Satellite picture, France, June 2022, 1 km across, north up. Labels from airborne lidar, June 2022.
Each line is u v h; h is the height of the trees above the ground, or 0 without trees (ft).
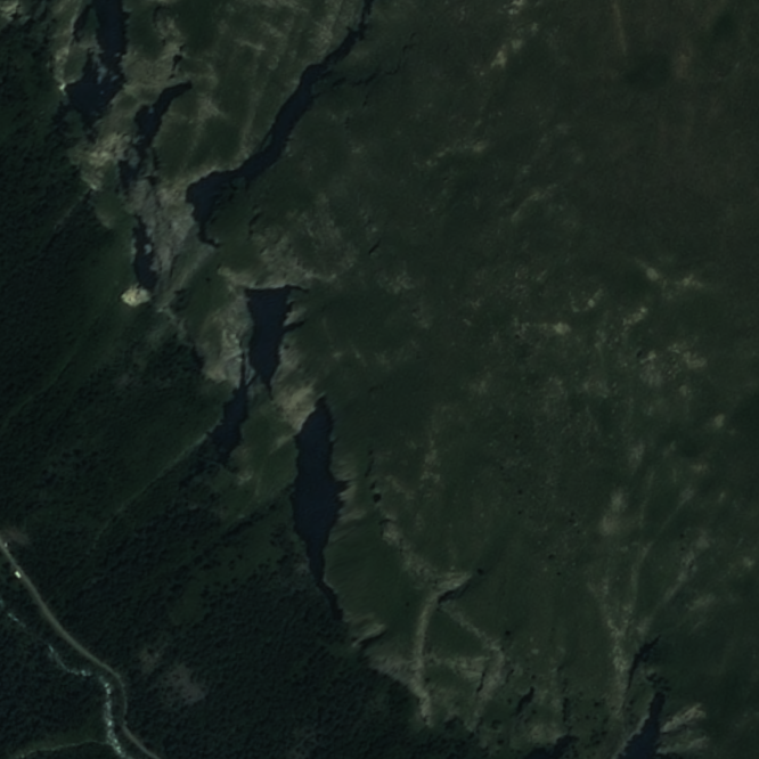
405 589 0
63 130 123
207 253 0
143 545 56
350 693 45
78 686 53
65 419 29
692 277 0
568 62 0
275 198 0
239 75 0
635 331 0
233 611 38
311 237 0
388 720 31
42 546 41
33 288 68
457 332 0
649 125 0
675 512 0
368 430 0
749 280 0
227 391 0
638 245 0
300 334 0
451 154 0
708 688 0
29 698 55
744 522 0
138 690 65
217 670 39
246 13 0
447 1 0
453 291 0
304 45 0
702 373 0
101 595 43
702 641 0
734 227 0
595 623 0
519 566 0
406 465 0
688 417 0
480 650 0
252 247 0
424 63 0
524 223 0
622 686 0
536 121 0
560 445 0
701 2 0
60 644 54
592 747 30
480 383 0
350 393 0
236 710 66
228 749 50
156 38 0
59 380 21
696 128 0
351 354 0
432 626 0
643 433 0
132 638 51
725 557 0
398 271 0
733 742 0
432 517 0
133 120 0
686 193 0
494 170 0
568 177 0
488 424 0
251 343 0
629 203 0
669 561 0
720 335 0
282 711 43
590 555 0
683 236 0
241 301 0
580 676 0
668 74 0
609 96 0
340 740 69
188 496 31
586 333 0
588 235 0
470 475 0
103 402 30
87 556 34
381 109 0
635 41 0
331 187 0
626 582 0
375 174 0
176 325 0
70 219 18
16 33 38
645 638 0
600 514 0
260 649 55
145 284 0
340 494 19
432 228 0
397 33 0
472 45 0
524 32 0
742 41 0
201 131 0
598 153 0
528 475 0
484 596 0
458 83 0
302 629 63
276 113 0
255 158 0
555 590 0
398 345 0
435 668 0
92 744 23
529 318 0
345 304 0
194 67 0
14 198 50
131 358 34
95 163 0
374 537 0
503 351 0
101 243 22
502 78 0
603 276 0
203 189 0
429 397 0
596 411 0
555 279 0
